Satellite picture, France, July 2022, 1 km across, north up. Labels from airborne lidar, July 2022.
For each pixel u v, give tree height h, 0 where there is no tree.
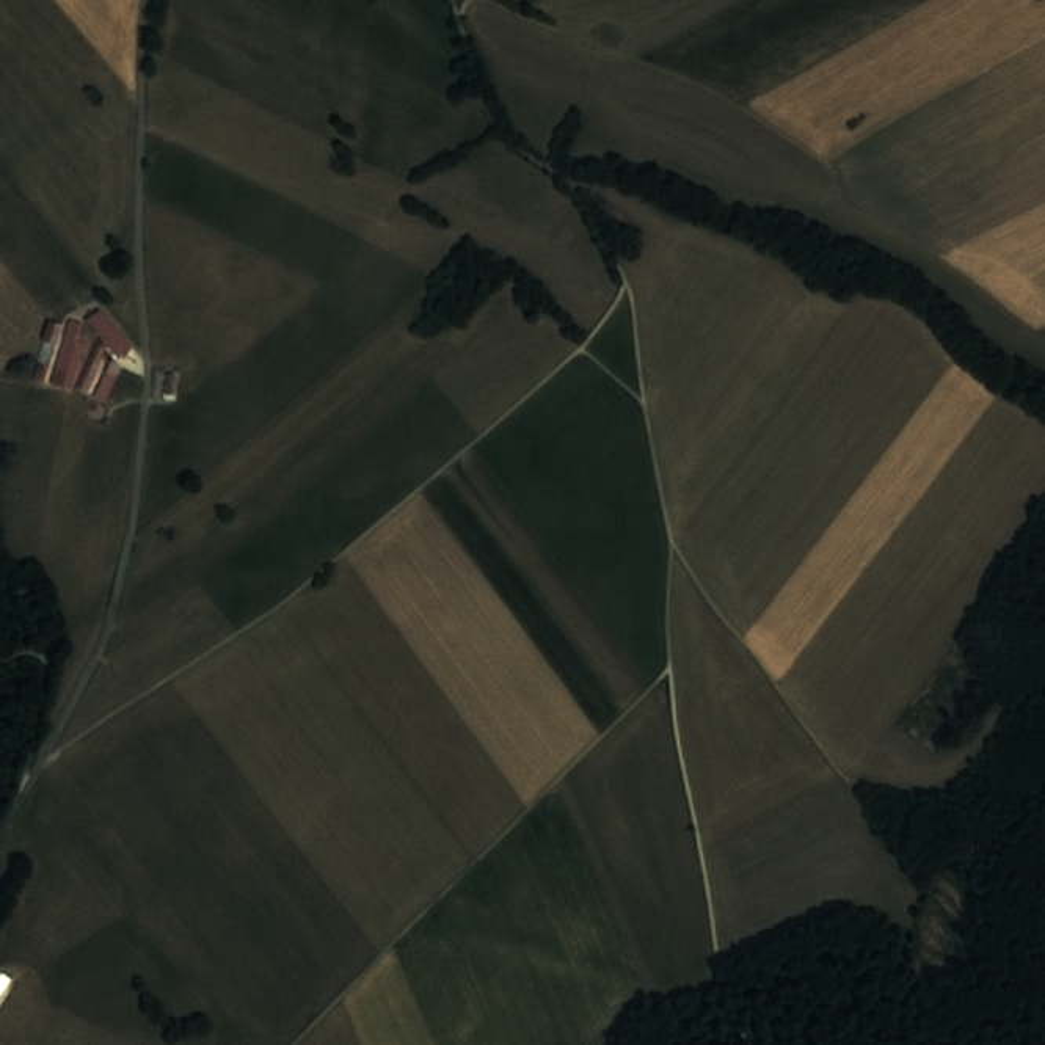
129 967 0
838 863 0
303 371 0
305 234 0
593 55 0
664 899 0
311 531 0
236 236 0
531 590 0
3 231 0
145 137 0
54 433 0
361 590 0
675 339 0
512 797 0
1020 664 12
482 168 0
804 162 0
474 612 0
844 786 0
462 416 0
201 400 0
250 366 0
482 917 0
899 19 0
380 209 0
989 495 0
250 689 0
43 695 21
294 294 0
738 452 0
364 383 0
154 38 20
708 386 0
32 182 0
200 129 0
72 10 0
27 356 7
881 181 0
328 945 0
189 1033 18
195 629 0
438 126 0
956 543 0
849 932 29
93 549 0
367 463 0
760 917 0
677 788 0
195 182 0
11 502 0
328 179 0
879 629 0
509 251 0
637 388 0
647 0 0
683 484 0
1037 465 0
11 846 0
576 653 0
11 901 22
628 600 0
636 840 0
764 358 0
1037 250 0
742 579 0
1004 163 0
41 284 0
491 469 0
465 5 0
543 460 0
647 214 0
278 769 0
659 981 0
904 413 0
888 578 0
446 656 0
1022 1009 31
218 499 0
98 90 7
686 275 0
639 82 0
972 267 0
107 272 20
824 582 0
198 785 0
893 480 0
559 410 0
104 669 0
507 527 0
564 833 0
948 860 19
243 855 0
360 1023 0
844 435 0
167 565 0
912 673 0
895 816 10
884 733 0
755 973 28
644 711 0
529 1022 0
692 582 0
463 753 0
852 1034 33
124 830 0
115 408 0
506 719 0
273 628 0
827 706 0
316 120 0
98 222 0
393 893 0
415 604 0
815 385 0
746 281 0
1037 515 19
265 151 0
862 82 0
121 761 0
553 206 0
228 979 0
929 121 0
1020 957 35
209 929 0
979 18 0
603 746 0
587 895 0
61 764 0
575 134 7
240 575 0
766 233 18
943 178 0
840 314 0
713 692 0
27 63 0
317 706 0
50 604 26
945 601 0
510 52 0
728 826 0
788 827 0
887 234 0
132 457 0
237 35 0
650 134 0
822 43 0
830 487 0
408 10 0
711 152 0
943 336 19
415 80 0
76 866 0
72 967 0
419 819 0
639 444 0
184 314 0
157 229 0
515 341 0
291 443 0
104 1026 0
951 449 0
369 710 0
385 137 0
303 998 0
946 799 18
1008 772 9
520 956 0
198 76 0
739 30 0
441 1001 0
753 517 0
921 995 33
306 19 0
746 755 0
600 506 0
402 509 0
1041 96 0
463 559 0
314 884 0
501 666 0
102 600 0
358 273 0
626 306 0
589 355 0
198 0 0
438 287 15
